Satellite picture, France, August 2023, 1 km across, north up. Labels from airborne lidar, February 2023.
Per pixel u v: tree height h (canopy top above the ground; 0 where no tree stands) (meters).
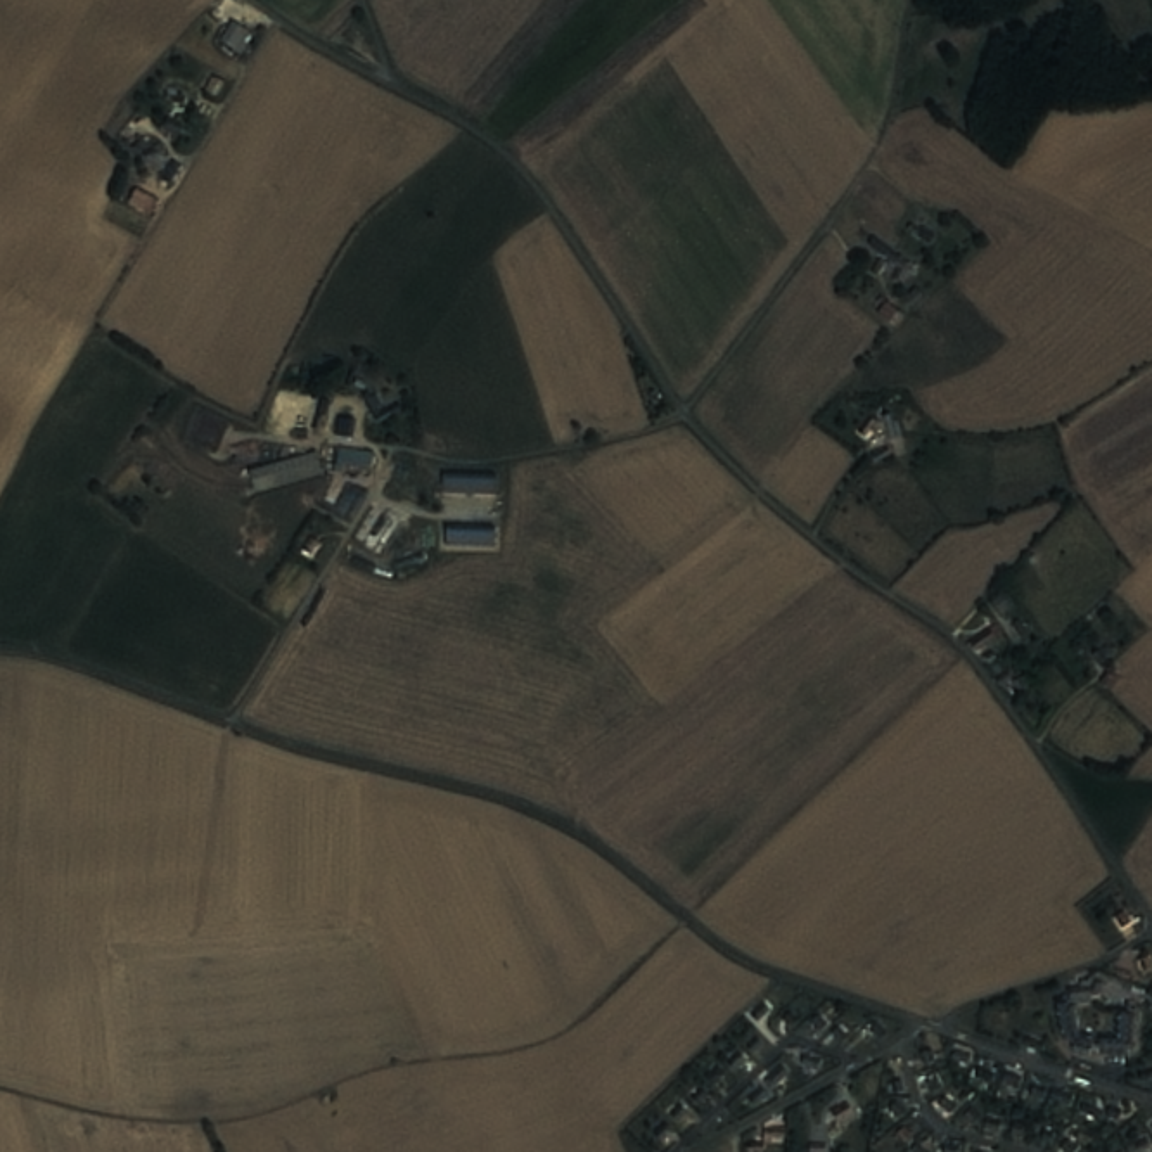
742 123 0
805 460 0
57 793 0
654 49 0
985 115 18
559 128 0
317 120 0
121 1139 0
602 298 0
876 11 0
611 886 0
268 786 0
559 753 0
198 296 0
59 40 0
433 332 0
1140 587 0
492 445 0
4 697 0
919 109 0
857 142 0
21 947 0
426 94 0
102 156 0
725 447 0
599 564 0
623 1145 0
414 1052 0
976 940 0
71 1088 0
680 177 0
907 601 0
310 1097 0
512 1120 0
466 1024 0
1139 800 0
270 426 0
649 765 0
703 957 0
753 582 0
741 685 0
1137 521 0
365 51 0
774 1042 0
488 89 0
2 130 0
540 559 0
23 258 0
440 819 0
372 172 0
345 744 0
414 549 0
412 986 0
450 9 0
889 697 0
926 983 0
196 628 0
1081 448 0
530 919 0
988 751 0
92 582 0
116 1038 0
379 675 0
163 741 0
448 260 0
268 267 0
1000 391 0
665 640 0
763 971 0
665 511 0
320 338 0
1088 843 0
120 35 0
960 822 0
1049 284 0
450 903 0
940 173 0
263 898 0
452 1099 0
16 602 0
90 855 0
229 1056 0
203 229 0
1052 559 0
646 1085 0
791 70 0
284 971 0
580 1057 0
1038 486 0
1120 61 20
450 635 0
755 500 0
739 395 0
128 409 0
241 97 0
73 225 0
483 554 0
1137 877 0
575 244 0
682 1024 0
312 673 0
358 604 0
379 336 0
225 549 0
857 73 0
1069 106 15
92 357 0
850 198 0
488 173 0
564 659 0
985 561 0
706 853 0
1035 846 0
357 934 0
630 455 0
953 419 0
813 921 0
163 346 0
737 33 0
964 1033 0
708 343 0
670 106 0
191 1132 0
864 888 0
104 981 0
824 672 0
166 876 0
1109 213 0
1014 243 0
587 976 0
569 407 0
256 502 0
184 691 0
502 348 0
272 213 0
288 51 0
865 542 0
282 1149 0
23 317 0
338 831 0
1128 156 0
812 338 0
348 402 0
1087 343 0
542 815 0
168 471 0
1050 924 0
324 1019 0
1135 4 0
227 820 0
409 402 7
